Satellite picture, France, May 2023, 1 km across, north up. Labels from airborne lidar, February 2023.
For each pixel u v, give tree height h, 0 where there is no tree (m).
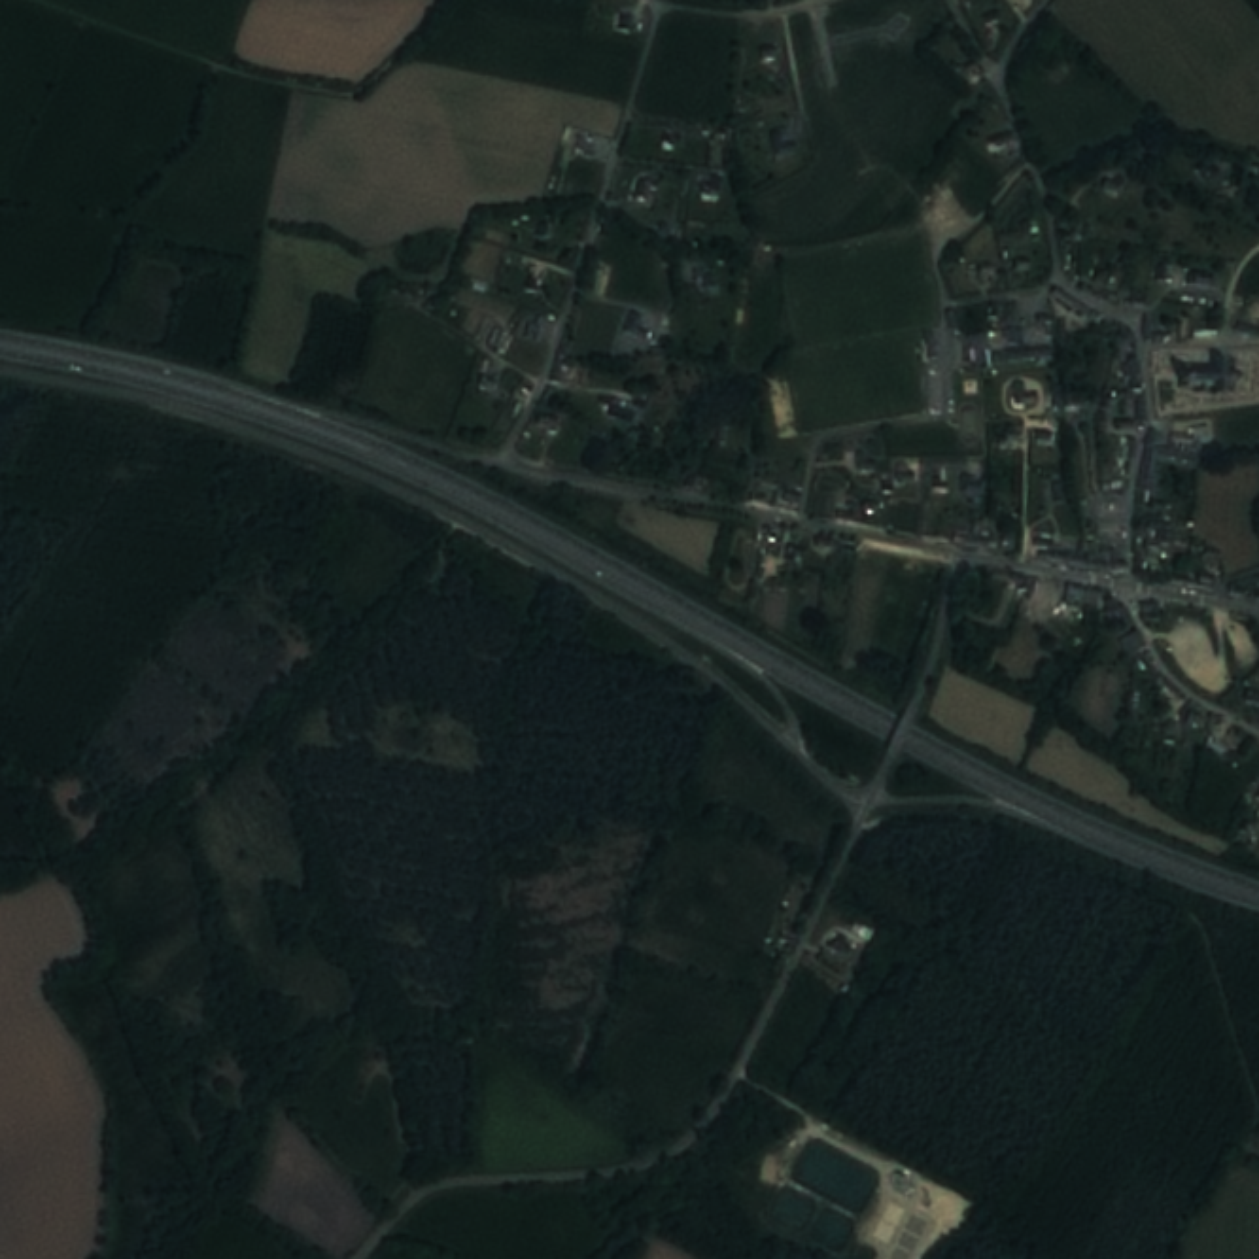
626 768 21
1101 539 0
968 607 12
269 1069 16
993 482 16
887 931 22
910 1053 24
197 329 7
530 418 0
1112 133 0
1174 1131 8
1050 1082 22
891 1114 28
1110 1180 8
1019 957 17
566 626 26
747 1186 0
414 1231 0
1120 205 0
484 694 14
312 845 13
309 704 16
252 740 13
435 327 0
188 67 0
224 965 12
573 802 19
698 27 0
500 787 20
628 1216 12
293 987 0
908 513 0
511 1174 0
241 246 0
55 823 16
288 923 12
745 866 0
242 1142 15
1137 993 19
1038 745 11
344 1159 0
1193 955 6
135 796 12
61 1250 0
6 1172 0
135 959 0
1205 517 0
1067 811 0
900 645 0
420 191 0
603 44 0
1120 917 23
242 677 0
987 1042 21
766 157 0
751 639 0
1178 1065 6
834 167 0
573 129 0
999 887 18
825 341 0
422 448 0
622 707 20
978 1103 24
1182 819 9
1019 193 0
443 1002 14
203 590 8
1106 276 7
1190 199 9
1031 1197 8
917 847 19
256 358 0
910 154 0
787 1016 0
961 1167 23
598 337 0
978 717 0
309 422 0
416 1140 13
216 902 12
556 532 0
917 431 0
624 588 0
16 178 0
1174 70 0
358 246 7
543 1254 0
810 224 0
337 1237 0
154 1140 0
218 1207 14
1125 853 0
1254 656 0
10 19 0
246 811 0
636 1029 0
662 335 0
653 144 0
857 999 11
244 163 0
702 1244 14
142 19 0
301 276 0
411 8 0
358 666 15
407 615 14
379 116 0
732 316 0
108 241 0
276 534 15
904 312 0
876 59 0
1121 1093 7
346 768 14
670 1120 0
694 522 0
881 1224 0
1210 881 0
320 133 0
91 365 0
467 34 0
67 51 0
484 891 12
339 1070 0
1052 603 0
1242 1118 7
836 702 0
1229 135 0
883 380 0
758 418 6
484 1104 0
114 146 0
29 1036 0
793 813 0
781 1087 8
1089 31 0
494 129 0
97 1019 0
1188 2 0
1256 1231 0
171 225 0
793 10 0
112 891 0
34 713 6
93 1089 0
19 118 0
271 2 0
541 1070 7
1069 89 0
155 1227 10
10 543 18
